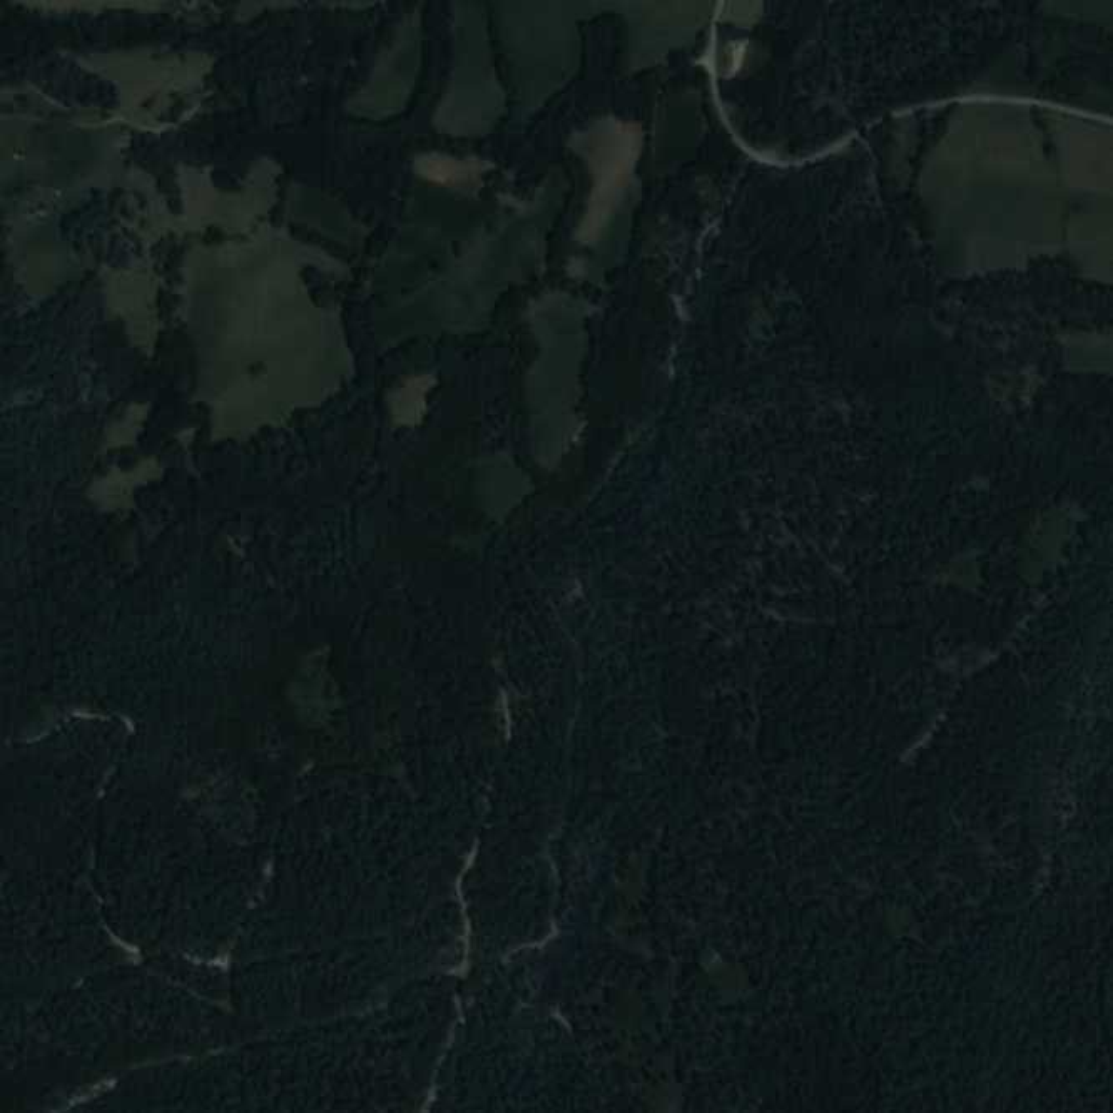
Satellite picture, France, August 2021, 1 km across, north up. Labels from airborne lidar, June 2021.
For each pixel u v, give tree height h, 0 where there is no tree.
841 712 17
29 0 0
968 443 20
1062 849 12
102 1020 25
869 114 17
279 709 17
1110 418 20
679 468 16
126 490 0
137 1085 14
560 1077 17
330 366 0
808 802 19
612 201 0
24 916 18
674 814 17
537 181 11
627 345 23
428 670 15
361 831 25
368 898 23
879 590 22
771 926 21
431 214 0
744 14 0
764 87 12
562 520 13
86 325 14
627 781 18
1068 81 10
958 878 22
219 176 16
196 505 25
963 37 15
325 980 10
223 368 0
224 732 24
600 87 20
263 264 0
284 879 23
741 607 29
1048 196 0
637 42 0
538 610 12
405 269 0
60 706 17
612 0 0
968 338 18
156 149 21
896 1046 23
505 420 18
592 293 18
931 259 14
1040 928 19
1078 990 30
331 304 22
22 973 20
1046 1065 19
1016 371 10
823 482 16
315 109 15
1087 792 11
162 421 23
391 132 23
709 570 26
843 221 10
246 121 14
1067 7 0
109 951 19
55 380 15
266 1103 25
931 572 21
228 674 21
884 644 21
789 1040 18
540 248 0
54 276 0
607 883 15
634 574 21
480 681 22
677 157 0
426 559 26
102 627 13
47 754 7
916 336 20
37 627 17
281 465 23
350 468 21
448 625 19
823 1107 18
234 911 14
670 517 12
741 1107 20
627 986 13
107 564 12
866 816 22
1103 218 0
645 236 16
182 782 22
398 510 25
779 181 16
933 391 26
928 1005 30
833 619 26
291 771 22
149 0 0
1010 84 0
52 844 22
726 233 13
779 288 14
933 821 22
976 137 0
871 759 22
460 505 16
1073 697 7
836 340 22
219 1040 10
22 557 11
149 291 0
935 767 21
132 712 14
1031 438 16
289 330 0
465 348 11
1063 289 24
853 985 19
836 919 26
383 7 12
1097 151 0
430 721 24
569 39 0
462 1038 12
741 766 25
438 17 25
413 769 17
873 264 18
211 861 16
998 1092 17
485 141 10
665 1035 13
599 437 12
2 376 15
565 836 6
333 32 21
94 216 13
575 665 12
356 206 18
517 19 0
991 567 21
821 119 15
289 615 25
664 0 0
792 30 23
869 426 22
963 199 0
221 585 18
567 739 10
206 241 8
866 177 15
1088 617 16
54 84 11
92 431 13
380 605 17
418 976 11
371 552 18
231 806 12
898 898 19
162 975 10
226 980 15
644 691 16
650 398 9
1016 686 15
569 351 0
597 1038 17
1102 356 0
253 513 18
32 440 16
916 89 27
